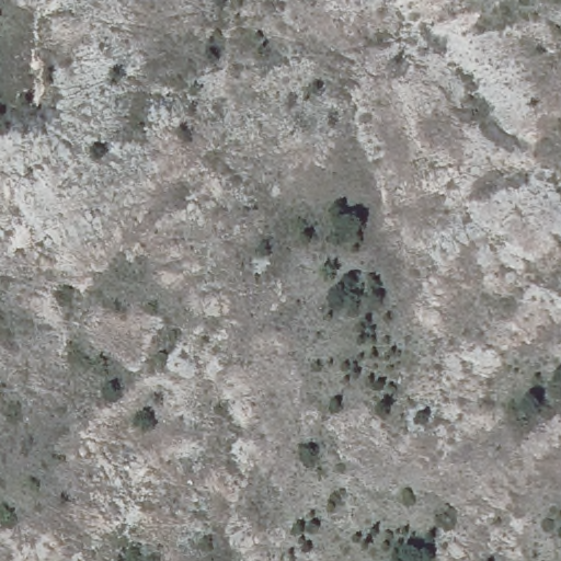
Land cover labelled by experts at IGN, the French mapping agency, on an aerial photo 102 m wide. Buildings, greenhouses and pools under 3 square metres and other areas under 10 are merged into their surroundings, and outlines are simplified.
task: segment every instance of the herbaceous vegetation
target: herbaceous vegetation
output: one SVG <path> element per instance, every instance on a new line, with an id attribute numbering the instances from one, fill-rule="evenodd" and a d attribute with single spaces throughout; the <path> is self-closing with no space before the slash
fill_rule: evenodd
<path id="1" fill-rule="evenodd" d="M 46 134 L 48 129 L 44 107 L 33 101 L 31 48 L 35 11 L 33 7 L 18 7 L 18 0 L 0 0 L 0 136 L 9 131 Z"/>
<path id="2" fill-rule="evenodd" d="M 134 302 L 134 296 L 142 291 L 142 285 L 151 276 L 149 261 L 145 256 L 127 261 L 123 252 L 116 252 L 105 272 L 94 272 L 90 289 L 94 291 L 96 302 L 103 309 L 125 318 L 129 305 Z"/>
<path id="3" fill-rule="evenodd" d="M 184 88 L 173 88 L 169 94 L 136 92 L 127 123 L 114 129 L 114 138 L 118 142 L 145 145 L 145 127 L 151 125 L 151 121 L 147 121 L 149 107 L 164 107 L 167 112 L 173 112 L 180 123 L 188 125 L 193 131 L 197 131 L 202 125 L 224 121 L 224 99 L 202 99 L 199 75 L 188 75 Z"/>
<path id="4" fill-rule="evenodd" d="M 289 64 L 285 57 L 285 42 L 267 39 L 263 31 L 245 28 L 241 15 L 243 0 L 215 0 L 217 20 L 213 35 L 208 37 L 208 55 L 215 59 L 221 57 L 219 48 L 224 46 L 224 28 L 234 26 L 237 31 L 230 37 L 232 44 L 239 46 L 243 55 L 254 57 L 259 61 L 261 77 L 267 77 L 267 72 L 276 66 Z"/>

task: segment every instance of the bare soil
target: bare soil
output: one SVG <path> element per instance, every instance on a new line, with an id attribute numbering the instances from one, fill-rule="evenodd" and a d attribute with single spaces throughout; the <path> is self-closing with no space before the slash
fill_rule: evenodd
<path id="1" fill-rule="evenodd" d="M 221 57 L 215 59 L 208 55 L 208 37 L 213 35 L 217 20 L 215 0 L 18 0 L 18 7 L 33 7 L 35 11 L 31 48 L 33 101 L 44 107 L 48 129 L 46 134 L 9 131 L 0 136 L 0 502 L 11 504 L 18 515 L 18 524 L 13 528 L 4 530 L 0 526 L 0 561 L 118 561 L 118 546 L 123 539 L 138 543 L 142 554 L 160 554 L 162 561 L 197 561 L 206 559 L 206 552 L 193 548 L 191 541 L 199 541 L 204 535 L 210 535 L 213 526 L 226 528 L 228 543 L 232 550 L 241 554 L 241 561 L 392 561 L 392 554 L 383 548 L 383 541 L 386 530 L 397 526 L 410 526 L 419 537 L 434 528 L 438 533 L 438 561 L 561 561 L 561 419 L 552 416 L 550 421 L 537 425 L 524 443 L 515 443 L 513 427 L 508 427 L 504 421 L 504 410 L 508 408 L 508 399 L 522 399 L 526 392 L 530 392 L 530 397 L 537 403 L 543 405 L 543 388 L 533 388 L 533 375 L 554 373 L 561 366 L 561 0 L 243 0 L 241 15 L 245 28 L 263 31 L 267 39 L 285 42 L 285 57 L 289 64 L 276 66 L 267 72 L 267 77 L 261 77 L 259 61 L 254 57 L 243 55 L 239 46 L 232 44 L 230 37 L 237 31 L 234 26 L 224 28 L 224 46 L 219 48 Z M 224 121 L 202 125 L 197 131 L 193 131 L 188 125 L 180 123 L 173 112 L 167 112 L 164 107 L 149 107 L 147 121 L 151 121 L 151 125 L 145 127 L 145 145 L 118 142 L 114 138 L 114 129 L 127 123 L 136 92 L 169 94 L 173 88 L 184 88 L 188 75 L 199 75 L 202 99 L 224 99 Z M 333 243 L 333 204 L 337 204 L 342 215 L 355 215 L 359 221 L 366 221 L 364 245 L 359 252 L 346 252 L 342 245 Z M 379 274 L 386 289 L 386 302 L 390 305 L 390 311 L 383 320 L 392 324 L 392 333 L 383 335 L 383 342 L 392 340 L 397 348 L 412 351 L 419 359 L 414 368 L 414 383 L 412 388 L 408 388 L 408 392 L 414 397 L 414 405 L 405 412 L 408 434 L 401 436 L 397 447 L 388 445 L 377 412 L 370 412 L 366 405 L 359 410 L 340 410 L 337 414 L 331 414 L 327 421 L 327 430 L 333 432 L 333 436 L 337 438 L 337 454 L 342 462 L 333 462 L 333 456 L 320 458 L 318 443 L 309 443 L 309 432 L 316 425 L 320 412 L 313 410 L 307 401 L 300 401 L 302 379 L 298 375 L 296 364 L 287 359 L 287 344 L 283 344 L 274 331 L 274 313 L 278 311 L 278 307 L 287 302 L 278 276 L 289 272 L 291 252 L 305 245 L 322 252 L 322 259 L 327 261 L 324 265 L 337 270 L 337 274 L 342 276 L 351 270 Z M 149 261 L 151 276 L 142 285 L 142 291 L 134 296 L 134 302 L 129 305 L 125 318 L 103 309 L 96 302 L 94 291 L 90 289 L 94 272 L 105 272 L 116 252 L 123 252 L 127 261 L 145 256 Z M 129 390 L 125 390 L 118 401 L 107 403 L 103 399 L 103 375 L 94 375 L 92 370 L 85 370 L 79 364 L 68 364 L 68 340 L 81 344 L 81 348 L 88 355 L 105 353 L 112 359 L 121 362 L 123 368 L 131 370 L 136 383 Z M 158 419 L 156 427 L 134 427 L 134 414 L 142 408 L 153 410 Z M 305 552 L 298 537 L 291 535 L 291 528 L 298 519 L 309 519 L 311 508 L 320 517 L 320 528 L 316 533 L 307 533 L 307 539 L 311 539 L 313 548 L 311 552 Z M 370 526 L 373 526 L 373 524 L 379 524 L 379 533 L 377 533 L 377 537 L 375 537 L 375 539 L 373 539 L 373 543 L 368 543 L 368 546 L 362 546 L 362 543 L 357 543 L 357 541 L 355 541 L 355 539 L 353 539 L 353 535 L 355 535 L 355 533 L 368 533 L 368 530 L 370 530 Z"/>

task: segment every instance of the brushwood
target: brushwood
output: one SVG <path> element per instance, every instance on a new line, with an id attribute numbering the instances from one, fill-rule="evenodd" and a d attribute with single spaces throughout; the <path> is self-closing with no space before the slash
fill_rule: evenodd
<path id="1" fill-rule="evenodd" d="M 18 524 L 18 515 L 11 504 L 0 502 L 0 526 L 4 530 L 13 528 Z"/>
<path id="2" fill-rule="evenodd" d="M 162 561 L 160 554 L 142 554 L 138 543 L 123 539 L 118 546 L 118 561 Z"/>
<path id="3" fill-rule="evenodd" d="M 193 548 L 206 552 L 206 559 L 197 561 L 241 561 L 241 554 L 232 550 L 228 543 L 226 528 L 213 526 L 210 535 L 204 535 L 199 541 L 191 541 Z"/>
<path id="4" fill-rule="evenodd" d="M 68 340 L 68 364 L 79 364 L 85 370 L 92 370 L 94 375 L 103 375 L 103 399 L 107 403 L 118 401 L 125 390 L 129 390 L 136 383 L 131 370 L 123 368 L 121 362 L 112 359 L 105 353 L 88 355 L 81 348 L 81 344 Z"/>
<path id="5" fill-rule="evenodd" d="M 333 243 L 342 245 L 346 252 L 359 252 L 364 245 L 366 221 L 359 221 L 355 215 L 342 215 L 337 204 L 333 204 Z"/>
<path id="6" fill-rule="evenodd" d="M 333 456 L 333 462 L 342 462 L 337 454 L 337 438 L 333 436 L 333 432 L 327 430 L 327 421 L 331 414 L 337 414 L 340 410 L 359 410 L 366 405 L 370 412 L 377 412 L 388 445 L 397 447 L 401 436 L 408 434 L 405 412 L 414 405 L 414 397 L 408 392 L 408 388 L 412 388 L 414 383 L 414 368 L 419 359 L 412 351 L 397 348 L 392 340 L 383 342 L 383 335 L 392 333 L 392 324 L 383 320 L 390 311 L 390 305 L 386 302 L 386 289 L 379 274 L 351 270 L 342 276 L 337 274 L 337 270 L 324 265 L 327 261 L 322 259 L 322 252 L 305 245 L 291 252 L 289 272 L 278 276 L 287 302 L 278 307 L 278 311 L 274 313 L 274 331 L 283 344 L 287 344 L 287 359 L 296 364 L 298 375 L 302 379 L 300 401 L 307 401 L 313 410 L 320 412 L 316 425 L 309 432 L 309 443 L 318 443 L 320 458 Z"/>
<path id="7" fill-rule="evenodd" d="M 153 410 L 142 408 L 134 414 L 134 427 L 156 427 L 158 419 Z"/>
<path id="8" fill-rule="evenodd" d="M 298 519 L 291 528 L 291 535 L 298 537 L 305 552 L 311 552 L 313 548 L 311 539 L 307 539 L 307 533 L 316 533 L 320 528 L 320 517 L 311 508 L 309 519 Z"/>
<path id="9" fill-rule="evenodd" d="M 554 373 L 533 375 L 533 388 L 543 388 L 543 405 L 537 403 L 530 397 L 530 392 L 526 392 L 522 399 L 508 399 L 508 408 L 504 410 L 504 421 L 508 427 L 513 427 L 515 443 L 524 443 L 537 425 L 550 421 L 552 416 L 561 419 L 561 366 Z"/>
<path id="10" fill-rule="evenodd" d="M 355 535 L 353 535 L 353 539 L 355 539 L 355 541 L 357 541 L 357 543 L 362 543 L 362 546 L 368 546 L 368 543 L 373 543 L 373 539 L 375 539 L 375 537 L 377 537 L 377 533 L 379 533 L 379 524 L 373 524 L 373 526 L 370 526 L 370 530 L 368 530 L 368 533 L 355 533 Z"/>

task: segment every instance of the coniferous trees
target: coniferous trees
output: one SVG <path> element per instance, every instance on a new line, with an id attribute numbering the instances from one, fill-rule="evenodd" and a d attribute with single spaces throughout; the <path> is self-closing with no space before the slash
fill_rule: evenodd
<path id="1" fill-rule="evenodd" d="M 383 548 L 392 554 L 392 561 L 438 561 L 438 533 L 434 528 L 419 537 L 410 526 L 397 526 L 386 530 L 383 541 Z"/>

